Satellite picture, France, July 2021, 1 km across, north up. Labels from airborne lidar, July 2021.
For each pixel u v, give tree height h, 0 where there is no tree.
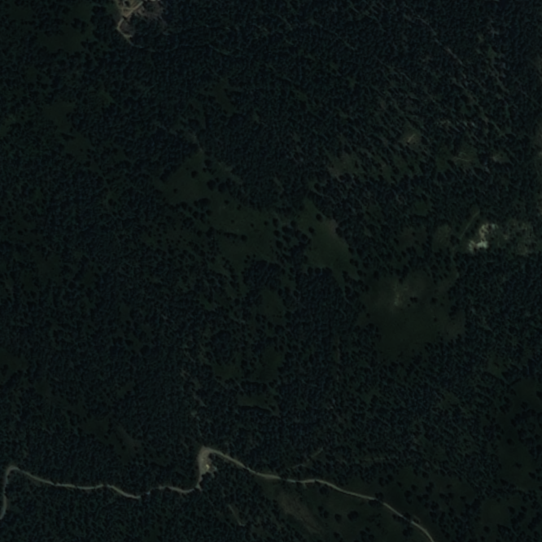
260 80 25
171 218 13
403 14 15
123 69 9
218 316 16
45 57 20
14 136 20
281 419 10
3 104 18
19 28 9
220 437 20
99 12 16
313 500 0
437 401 22
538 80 19
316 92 26
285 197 13
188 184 0
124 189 9
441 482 0
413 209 23
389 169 0
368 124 27
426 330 0
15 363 0
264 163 19
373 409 19
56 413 14
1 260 22
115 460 19
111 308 19
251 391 20
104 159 15
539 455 25
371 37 25
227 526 16
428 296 0
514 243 16
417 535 0
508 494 17
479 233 0
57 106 0
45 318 17
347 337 22
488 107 24
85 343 21
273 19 15
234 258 0
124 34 15
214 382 24
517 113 28
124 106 18
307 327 15
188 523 20
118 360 19
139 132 8
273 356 0
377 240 25
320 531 0
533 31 18
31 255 16
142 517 17
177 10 28
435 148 22
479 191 22
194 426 12
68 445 22
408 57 26
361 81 25
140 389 15
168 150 14
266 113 22
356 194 27
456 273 0
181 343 15
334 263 0
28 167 14
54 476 23
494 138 17
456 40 19
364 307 19
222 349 24
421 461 21
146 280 9
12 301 24
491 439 28
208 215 11
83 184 8
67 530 11
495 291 20
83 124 15
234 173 13
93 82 17
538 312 11
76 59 13
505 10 30
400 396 18
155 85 19
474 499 0
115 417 13
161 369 17
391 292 0
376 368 27
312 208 0
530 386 0
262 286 16
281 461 19
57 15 10
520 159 24
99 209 17
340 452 8
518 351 12
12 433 15
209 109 23
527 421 25
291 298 24
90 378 18
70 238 23
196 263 9
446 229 0
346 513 0
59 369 18
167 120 27
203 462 0
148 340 19
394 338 0
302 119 18
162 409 18
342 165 0
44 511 8
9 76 12
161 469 17
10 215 6
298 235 20
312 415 13
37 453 26
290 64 23
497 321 18
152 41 16
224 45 12
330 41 23
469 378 19
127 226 18
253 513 16
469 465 13
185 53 17
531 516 0
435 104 27
